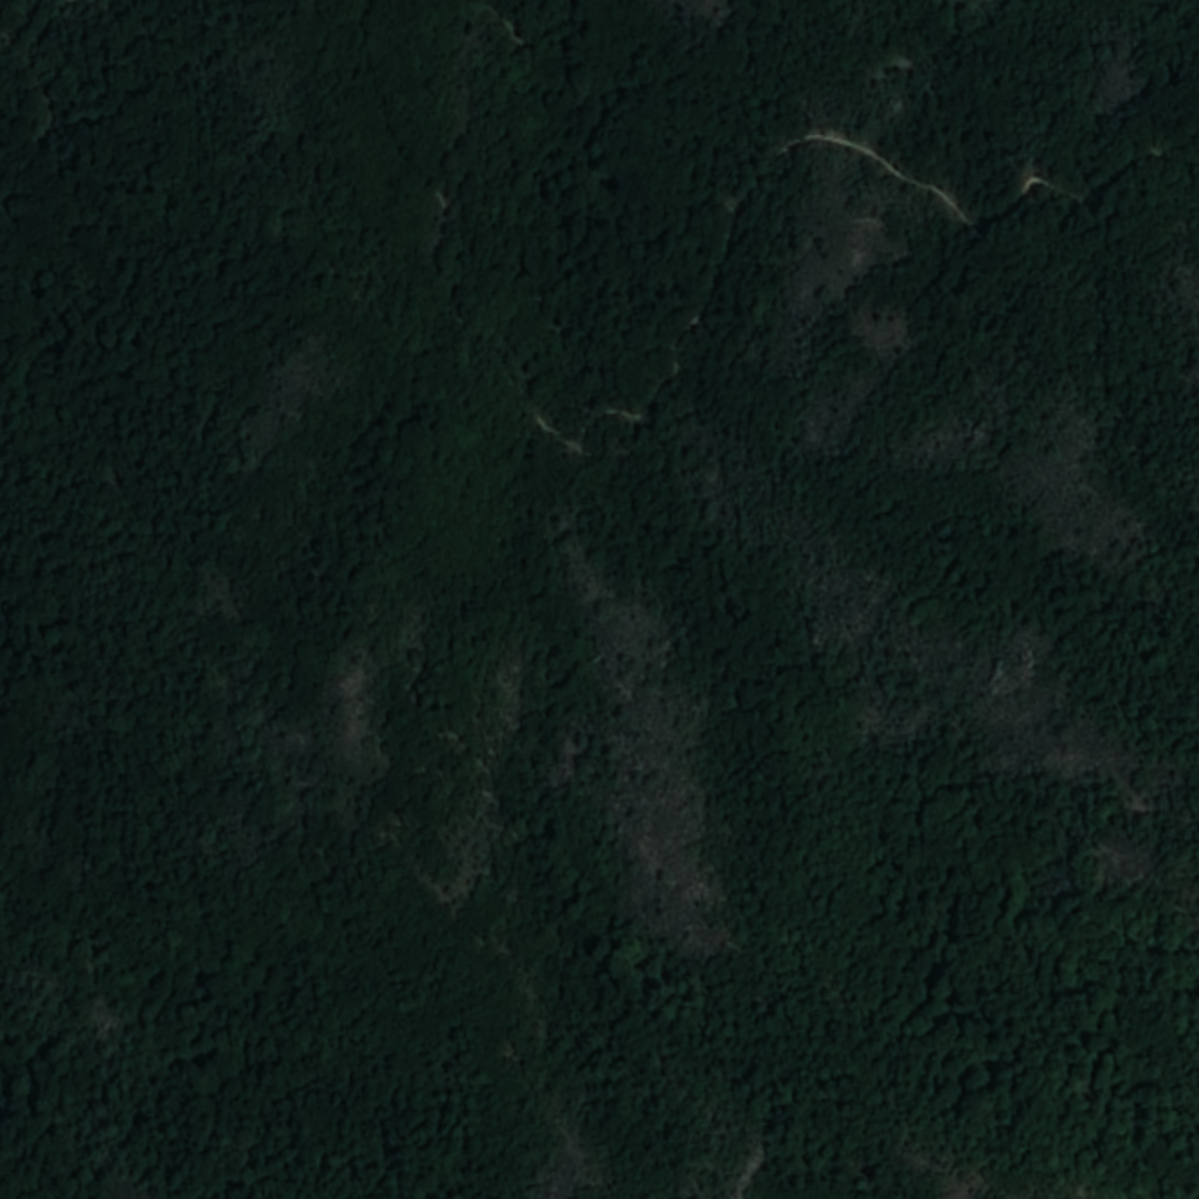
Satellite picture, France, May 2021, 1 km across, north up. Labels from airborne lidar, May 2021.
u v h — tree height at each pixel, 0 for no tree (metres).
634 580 16
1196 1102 12
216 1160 22
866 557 7
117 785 19
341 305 14
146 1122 19
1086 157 23
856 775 12
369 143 15
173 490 18
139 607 16
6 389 18
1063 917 27
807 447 7
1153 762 7
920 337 11
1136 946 23
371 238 22
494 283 30
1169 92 27
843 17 12
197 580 9
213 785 14
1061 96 16
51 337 29
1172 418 7
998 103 26
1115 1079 26
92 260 22
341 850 12
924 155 14
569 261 20
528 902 13
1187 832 11
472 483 16
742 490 8
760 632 25
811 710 24
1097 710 10
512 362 17
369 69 18
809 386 7
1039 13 18
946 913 6
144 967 20
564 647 26
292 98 14
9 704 13
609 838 11
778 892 22
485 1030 11
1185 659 26
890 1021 23
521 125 31
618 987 19
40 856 7
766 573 16
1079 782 6
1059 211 20
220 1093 17
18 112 27
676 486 15
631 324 17
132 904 12
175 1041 13
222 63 12
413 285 18
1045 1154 17
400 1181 20
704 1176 7
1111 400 15
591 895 28
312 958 24
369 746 11
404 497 25
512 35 9
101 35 17
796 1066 9
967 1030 33
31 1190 15
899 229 10
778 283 12
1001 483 8
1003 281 20
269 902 12
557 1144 6
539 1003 7
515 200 24
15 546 22
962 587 19
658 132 24
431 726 14
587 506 14
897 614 10
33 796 15
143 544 12
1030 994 9
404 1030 15
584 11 21
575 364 11
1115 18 7
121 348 30
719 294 13
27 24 8
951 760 20
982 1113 24
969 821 30
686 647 20
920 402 10
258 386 10
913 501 27
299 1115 22
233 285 13
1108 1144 23
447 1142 20
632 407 15
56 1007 13
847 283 0
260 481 9
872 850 14
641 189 32
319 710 7
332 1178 15
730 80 11
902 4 18
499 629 12
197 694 12
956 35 14
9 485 21
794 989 9
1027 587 24
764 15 16
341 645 9
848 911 14
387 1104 9
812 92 10
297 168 7
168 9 18
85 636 11
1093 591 25
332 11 19
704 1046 20
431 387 28
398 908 15
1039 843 18
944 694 12
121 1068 13
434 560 16
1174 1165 11
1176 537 11
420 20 26
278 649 12
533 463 26
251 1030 21
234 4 14
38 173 26
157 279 19
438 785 17
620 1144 9
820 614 8
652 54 18
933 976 9
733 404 21
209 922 15
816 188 11
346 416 18
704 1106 6
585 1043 19
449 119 13
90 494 22
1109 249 20
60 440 16
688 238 29
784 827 20
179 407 13
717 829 10
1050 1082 18
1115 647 15
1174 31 25
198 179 21
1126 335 23
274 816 9
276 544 9
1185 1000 24
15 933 23
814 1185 18
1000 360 13
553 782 9
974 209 15
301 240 13
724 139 15
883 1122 9
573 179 31
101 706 15
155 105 26
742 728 24
